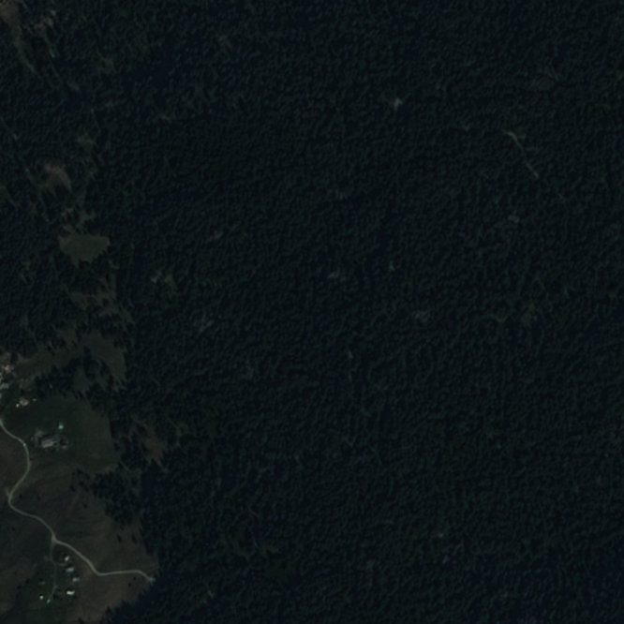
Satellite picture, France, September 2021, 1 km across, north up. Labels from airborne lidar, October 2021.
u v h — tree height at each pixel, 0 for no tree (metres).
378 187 15
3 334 20
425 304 27
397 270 7
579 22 19
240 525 16
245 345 25
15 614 0
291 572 0
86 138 14
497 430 18
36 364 0
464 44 28
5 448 0
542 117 20
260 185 19
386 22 28
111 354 0
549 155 32
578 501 24
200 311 34
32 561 0
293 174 25
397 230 25
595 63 27
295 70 8
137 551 0
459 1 27
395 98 12
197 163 19
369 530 22
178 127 11
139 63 10
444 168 26
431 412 21
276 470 6
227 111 25
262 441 23
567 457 18
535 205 28
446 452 11
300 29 17
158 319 26
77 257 0
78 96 0
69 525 0
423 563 16
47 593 0
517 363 30
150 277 22
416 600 25
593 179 24
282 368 17
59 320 28
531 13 23
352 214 25
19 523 0
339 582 25
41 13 24
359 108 31
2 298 16
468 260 18
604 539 27
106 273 12
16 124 8
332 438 29
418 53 32
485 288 26
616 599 25
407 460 26
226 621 21
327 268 30
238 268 20
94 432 0
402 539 25
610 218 25
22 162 29
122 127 28
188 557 12
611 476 18
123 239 24
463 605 24
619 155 26
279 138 35
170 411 23
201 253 26
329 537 17
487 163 18
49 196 0
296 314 25
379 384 25
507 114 28
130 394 9
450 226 23
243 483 25
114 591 0
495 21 30
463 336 8
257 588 25
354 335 16
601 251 25
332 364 15
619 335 20
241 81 29
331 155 31
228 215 21
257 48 6
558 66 22
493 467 27
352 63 27
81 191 23
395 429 29
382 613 19
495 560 29
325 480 27
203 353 25
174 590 25
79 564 0
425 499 8
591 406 31
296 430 29
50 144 28
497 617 21
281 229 19
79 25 25
